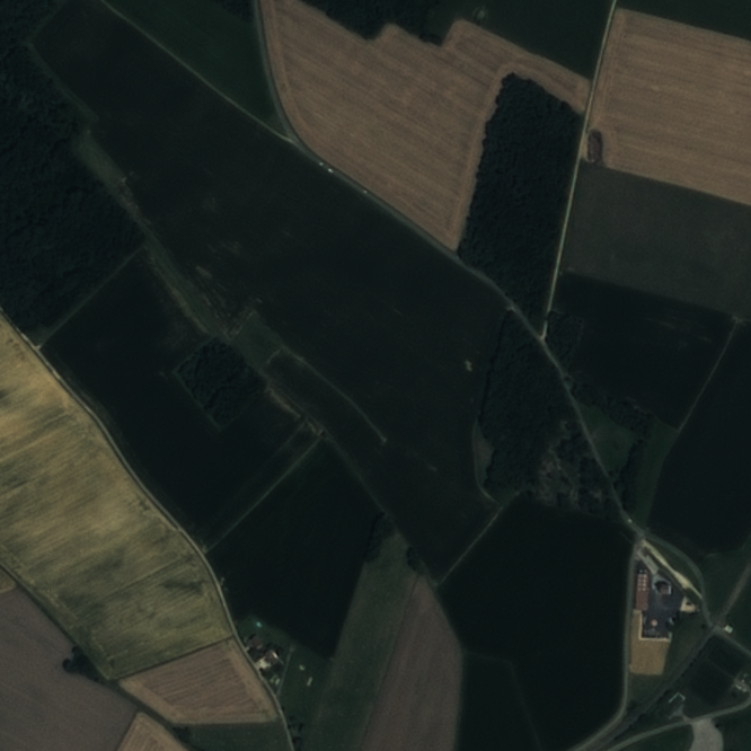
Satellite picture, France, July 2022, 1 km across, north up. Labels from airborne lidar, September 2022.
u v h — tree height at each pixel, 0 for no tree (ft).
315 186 0
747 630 0
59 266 76
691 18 0
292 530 0
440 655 0
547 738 0
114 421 0
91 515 0
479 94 0
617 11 0
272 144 0
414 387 0
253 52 0
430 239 0
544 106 65
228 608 0
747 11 0
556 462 0
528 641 0
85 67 0
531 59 0
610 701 0
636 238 0
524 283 51
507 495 0
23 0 86
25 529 0
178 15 0
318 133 0
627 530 0
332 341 0
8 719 0
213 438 0
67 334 0
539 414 81
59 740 0
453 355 0
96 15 0
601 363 0
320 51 0
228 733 0
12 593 0
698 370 0
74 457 0
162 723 0
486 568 0
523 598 0
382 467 0
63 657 0
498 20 0
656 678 0
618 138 0
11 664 0
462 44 0
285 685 0
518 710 0
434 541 0
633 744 0
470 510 0
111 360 0
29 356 0
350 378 0
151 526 0
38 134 88
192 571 0
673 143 0
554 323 50
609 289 0
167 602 0
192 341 0
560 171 59
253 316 0
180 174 0
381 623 0
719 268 0
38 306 71
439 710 0
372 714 0
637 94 0
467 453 0
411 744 0
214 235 0
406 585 0
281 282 0
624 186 0
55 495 0
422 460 0
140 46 0
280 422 0
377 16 74
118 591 0
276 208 0
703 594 0
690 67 0
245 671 0
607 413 36
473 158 0
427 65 0
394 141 0
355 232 0
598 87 0
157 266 0
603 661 0
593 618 0
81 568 0
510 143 61
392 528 41
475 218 40
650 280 0
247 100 0
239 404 70
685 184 0
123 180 0
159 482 0
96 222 81
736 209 0
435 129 0
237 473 0
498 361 59
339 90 0
